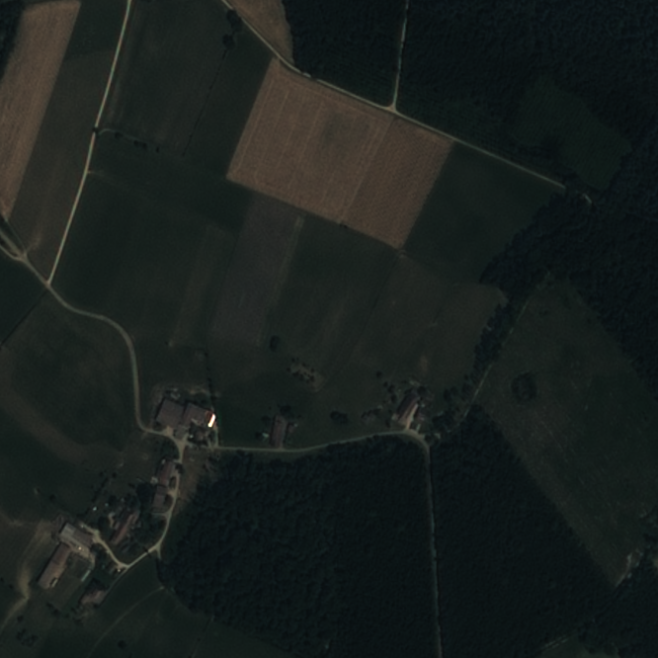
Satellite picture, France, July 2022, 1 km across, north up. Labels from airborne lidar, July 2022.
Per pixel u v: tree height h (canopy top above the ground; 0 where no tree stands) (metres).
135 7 0
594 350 0
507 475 19
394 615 16
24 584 0
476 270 0
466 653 13
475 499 15
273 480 19
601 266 12
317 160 0
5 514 0
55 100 0
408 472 16
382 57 16
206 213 0
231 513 20
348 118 0
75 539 0
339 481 18
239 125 0
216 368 0
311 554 19
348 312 0
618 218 24
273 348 11
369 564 15
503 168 0
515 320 19
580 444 0
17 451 0
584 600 15
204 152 0
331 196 0
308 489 22
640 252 22
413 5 10
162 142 0
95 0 0
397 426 0
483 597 13
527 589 19
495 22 22
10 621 0
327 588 21
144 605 0
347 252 0
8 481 0
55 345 0
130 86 0
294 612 26
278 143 0
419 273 0
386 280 0
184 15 0
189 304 0
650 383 12
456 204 0
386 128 0
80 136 0
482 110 14
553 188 0
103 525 13
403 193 0
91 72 0
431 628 15
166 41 0
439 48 10
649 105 18
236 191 0
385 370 0
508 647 15
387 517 14
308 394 0
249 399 0
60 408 0
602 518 0
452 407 11
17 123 0
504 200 0
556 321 0
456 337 0
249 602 23
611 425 0
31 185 0
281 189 0
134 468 0
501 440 22
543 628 16
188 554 15
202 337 0
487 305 0
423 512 15
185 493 0
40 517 0
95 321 0
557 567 18
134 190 0
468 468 24
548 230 10
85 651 0
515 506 21
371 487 15
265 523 26
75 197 0
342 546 20
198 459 0
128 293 0
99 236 0
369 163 0
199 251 0
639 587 18
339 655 17
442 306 0
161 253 0
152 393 0
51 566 0
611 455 0
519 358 0
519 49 17
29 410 0
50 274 0
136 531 8
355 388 0
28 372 0
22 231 0
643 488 0
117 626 0
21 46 0
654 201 27
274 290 0
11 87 0
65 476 0
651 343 18
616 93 14
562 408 0
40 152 0
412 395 0
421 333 0
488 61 13
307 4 20
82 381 0
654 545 18
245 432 0
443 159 0
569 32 29
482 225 0
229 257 0
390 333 0
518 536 17
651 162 13
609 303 21
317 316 0
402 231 0
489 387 0
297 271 0
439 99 6
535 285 16
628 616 18
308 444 0
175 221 0
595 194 22
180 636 0
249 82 0
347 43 17
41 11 0
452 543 15
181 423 0
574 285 12
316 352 0
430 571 13
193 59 0
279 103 0
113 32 0
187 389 0
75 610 5
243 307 0
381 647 16
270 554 22
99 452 0
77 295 0
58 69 0
